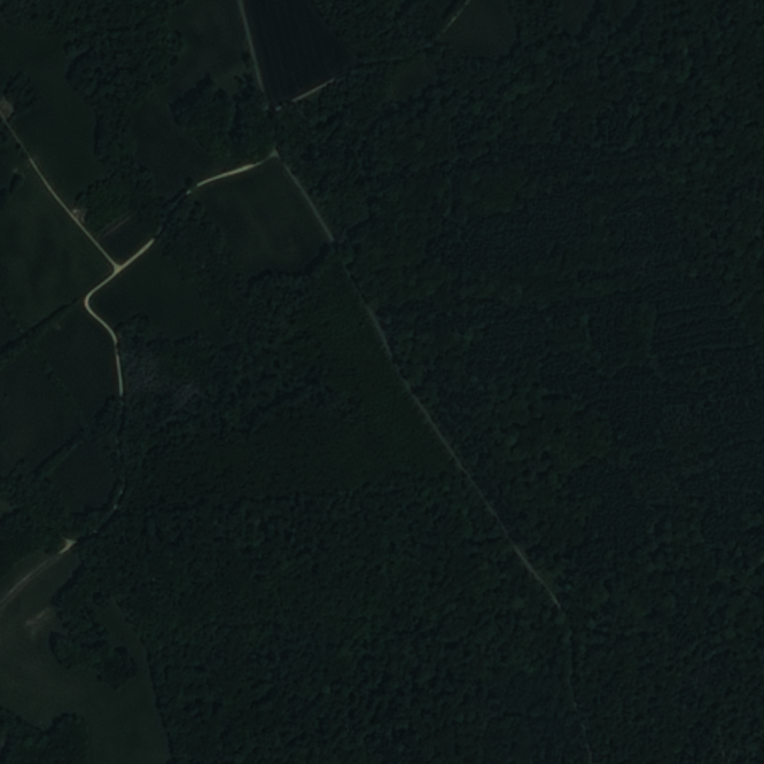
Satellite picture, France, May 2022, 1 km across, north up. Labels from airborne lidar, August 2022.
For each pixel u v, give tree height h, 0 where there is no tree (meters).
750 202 21
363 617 14
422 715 28
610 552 19
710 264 13
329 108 9
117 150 16
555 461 28
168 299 0
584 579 22
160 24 20
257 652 11
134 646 0
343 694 26
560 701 21
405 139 28
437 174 22
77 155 0
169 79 12
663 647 19
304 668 22
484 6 0
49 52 0
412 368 25
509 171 28
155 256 0
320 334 12
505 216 24
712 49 24
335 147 19
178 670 22
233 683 27
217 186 0
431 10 17
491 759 24
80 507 0
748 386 21
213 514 18
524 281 19
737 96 23
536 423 31
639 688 16
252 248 0
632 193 20
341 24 20
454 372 21
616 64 24
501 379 24
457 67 14
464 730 25
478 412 24
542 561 25
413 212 24
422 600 24
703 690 20
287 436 11
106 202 6
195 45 0
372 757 26
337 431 8
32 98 15
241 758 25
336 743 25
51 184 0
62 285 0
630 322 17
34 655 0
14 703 0
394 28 21
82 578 19
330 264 12
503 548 25
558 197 22
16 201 0
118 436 13
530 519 27
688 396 19
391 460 16
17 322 9
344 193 10
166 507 10
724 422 19
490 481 16
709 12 22
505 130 22
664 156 18
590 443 25
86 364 0
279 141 20
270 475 11
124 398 9
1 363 15
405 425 14
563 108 27
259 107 20
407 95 0
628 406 24
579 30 0
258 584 20
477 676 23
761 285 19
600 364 19
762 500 15
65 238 0
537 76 26
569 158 18
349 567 18
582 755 16
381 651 22
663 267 17
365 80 21
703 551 23
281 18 0
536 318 23
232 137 17
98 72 19
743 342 20
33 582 0
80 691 0
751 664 22
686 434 15
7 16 11
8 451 0
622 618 25
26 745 18
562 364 26
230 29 0
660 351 24
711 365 25
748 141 20
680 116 21
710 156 17
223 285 14
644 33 24
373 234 24
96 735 0
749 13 26
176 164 0
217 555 16
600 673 21
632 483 18
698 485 25
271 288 17
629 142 21
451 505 25
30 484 13
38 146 0
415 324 25
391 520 24
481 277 26
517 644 23
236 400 22
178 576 18
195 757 24
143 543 18
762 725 16
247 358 18
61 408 0
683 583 22
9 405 0
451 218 24
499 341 24
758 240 22
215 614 16
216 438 8
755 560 29
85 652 23
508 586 29
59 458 9
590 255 17
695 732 23
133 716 0
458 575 26
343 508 17
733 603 29
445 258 31
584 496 23
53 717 0
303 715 24
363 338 15
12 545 16
